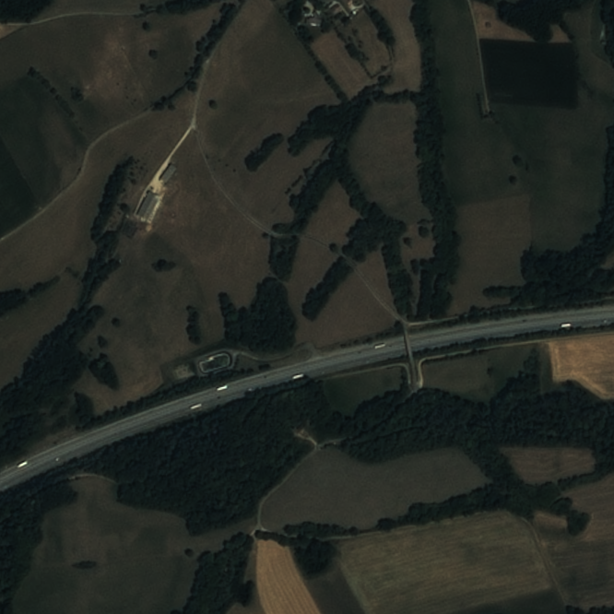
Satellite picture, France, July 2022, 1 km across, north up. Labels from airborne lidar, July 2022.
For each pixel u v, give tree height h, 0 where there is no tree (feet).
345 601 0
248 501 42
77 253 0
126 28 0
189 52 0
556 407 25
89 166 0
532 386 52
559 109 0
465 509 51
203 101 0
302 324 0
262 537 38
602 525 0
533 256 62
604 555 0
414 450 28
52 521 0
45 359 66
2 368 0
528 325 0
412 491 0
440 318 46
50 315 0
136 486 56
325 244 0
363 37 0
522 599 0
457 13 0
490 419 31
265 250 0
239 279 0
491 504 72
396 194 0
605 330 22
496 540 0
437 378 0
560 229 0
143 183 0
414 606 0
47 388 58
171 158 0
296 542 37
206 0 50
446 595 0
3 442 60
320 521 0
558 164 0
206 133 0
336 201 0
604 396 0
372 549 0
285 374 0
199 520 41
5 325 0
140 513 0
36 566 0
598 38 0
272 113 0
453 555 0
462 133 0
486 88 0
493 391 0
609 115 0
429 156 62
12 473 0
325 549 79
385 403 56
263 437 53
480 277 0
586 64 0
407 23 0
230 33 0
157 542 0
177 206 0
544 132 0
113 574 0
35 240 0
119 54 0
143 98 0
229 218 0
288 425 56
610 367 0
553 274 55
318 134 43
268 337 55
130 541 0
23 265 0
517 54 0
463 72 0
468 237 0
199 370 0
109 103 0
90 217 0
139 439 42
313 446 0
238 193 0
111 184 39
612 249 39
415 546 0
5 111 0
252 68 0
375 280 0
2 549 68
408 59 0
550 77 0
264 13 0
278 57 0
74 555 0
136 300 0
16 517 36
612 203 49
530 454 0
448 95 0
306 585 0
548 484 24
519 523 0
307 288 0
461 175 0
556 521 0
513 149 0
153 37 0
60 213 0
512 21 78
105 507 0
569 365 0
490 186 0
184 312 0
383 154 0
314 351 0
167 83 0
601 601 0
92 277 41
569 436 55
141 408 33
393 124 0
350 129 40
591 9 0
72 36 0
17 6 55
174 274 0
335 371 0
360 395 0
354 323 0
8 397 35
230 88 0
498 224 0
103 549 0
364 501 0
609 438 67
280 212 0
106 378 64
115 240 42
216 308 0
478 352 36
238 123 0
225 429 73
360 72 0
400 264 47
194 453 82
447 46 0
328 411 59
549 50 0
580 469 0
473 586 0
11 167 0
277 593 0
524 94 0
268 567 0
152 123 0
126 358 0
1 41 0
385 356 0
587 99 0
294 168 0
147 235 0
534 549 0
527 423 24
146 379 0
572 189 0
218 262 0
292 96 0
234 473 61
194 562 0
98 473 44
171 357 0
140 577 0
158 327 0
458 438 41
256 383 0
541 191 0
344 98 41
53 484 24
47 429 0
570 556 0
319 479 0
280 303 53
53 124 0
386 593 0
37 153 0
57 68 0
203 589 48
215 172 0
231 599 49
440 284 50
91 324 67
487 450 45
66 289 0
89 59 0
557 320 0
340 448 27
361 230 53
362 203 48
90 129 0
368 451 39
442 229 54
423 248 0
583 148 0
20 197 0
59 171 0
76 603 0
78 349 34
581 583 0
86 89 0
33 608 0
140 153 0
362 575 0
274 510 0
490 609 0
